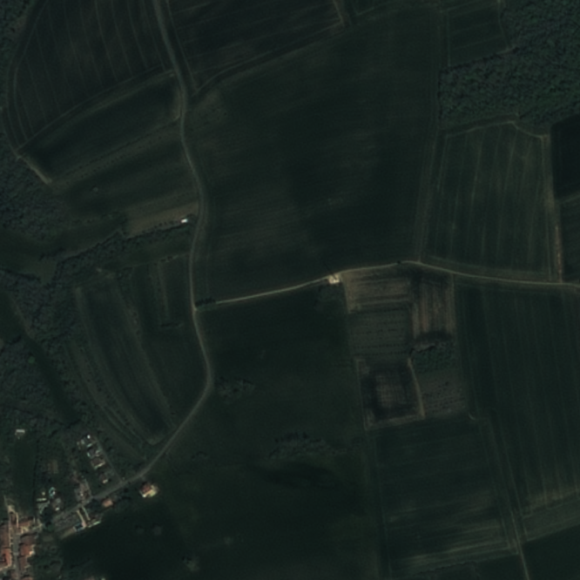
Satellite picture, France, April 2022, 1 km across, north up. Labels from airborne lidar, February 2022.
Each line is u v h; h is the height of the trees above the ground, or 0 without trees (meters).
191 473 0
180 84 0
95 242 0
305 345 0
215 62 0
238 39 0
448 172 0
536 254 0
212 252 0
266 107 0
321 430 0
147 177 0
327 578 0
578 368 0
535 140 0
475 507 0
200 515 0
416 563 0
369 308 0
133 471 9
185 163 0
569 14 13
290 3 0
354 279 0
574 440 0
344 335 0
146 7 0
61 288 14
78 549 0
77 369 6
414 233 0
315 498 0
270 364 0
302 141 0
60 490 0
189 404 0
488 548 0
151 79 0
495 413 0
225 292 0
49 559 8
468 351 0
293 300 0
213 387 0
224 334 0
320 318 0
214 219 0
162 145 0
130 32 0
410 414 0
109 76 0
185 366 0
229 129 0
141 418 0
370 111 0
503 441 0
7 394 13
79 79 0
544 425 0
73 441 14
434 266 0
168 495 0
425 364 7
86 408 15
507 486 0
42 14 0
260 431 0
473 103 24
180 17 0
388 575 0
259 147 0
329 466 0
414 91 0
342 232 0
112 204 0
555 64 25
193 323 0
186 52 0
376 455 0
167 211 0
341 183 0
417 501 0
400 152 0
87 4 0
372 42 0
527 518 0
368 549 0
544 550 0
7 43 14
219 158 0
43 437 10
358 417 0
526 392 0
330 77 0
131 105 0
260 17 0
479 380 0
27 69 0
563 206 0
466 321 0
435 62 0
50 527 12
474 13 0
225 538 0
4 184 19
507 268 0
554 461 0
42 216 16
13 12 15
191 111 0
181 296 0
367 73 0
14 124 0
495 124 0
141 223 0
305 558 0
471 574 0
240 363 0
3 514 0
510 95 22
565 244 0
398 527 0
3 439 5
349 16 0
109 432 0
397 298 0
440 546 0
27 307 9
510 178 0
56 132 0
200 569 0
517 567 0
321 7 0
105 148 0
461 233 0
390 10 0
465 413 0
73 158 0
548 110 13
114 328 0
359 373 0
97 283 0
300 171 0
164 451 0
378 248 0
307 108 0
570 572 0
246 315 0
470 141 0
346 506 0
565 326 0
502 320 0
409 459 0
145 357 0
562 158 0
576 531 0
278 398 0
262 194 0
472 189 0
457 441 0
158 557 0
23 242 0
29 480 0
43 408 9
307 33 0
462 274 0
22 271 0
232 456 0
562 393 0
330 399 0
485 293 0
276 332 0
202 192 0
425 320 0
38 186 13
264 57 0
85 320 0
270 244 0
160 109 0
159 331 0
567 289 0
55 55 0
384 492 0
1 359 8
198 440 0
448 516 0
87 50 0
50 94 0
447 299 0
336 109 0
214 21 0
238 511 0
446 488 0
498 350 0
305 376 0
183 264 0
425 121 0
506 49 0
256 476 0
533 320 0
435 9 0
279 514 0
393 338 0
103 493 0
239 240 0
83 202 0
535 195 0
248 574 0
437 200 0
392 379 0
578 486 0
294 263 0
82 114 0
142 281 0
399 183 0
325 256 0
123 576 0
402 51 0
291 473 0
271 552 0
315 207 0
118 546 0
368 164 0
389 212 0
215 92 0
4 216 21
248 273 0
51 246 0
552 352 0
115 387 0
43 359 0
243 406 0
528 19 14
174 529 0
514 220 0
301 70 0
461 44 0
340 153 0
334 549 0
